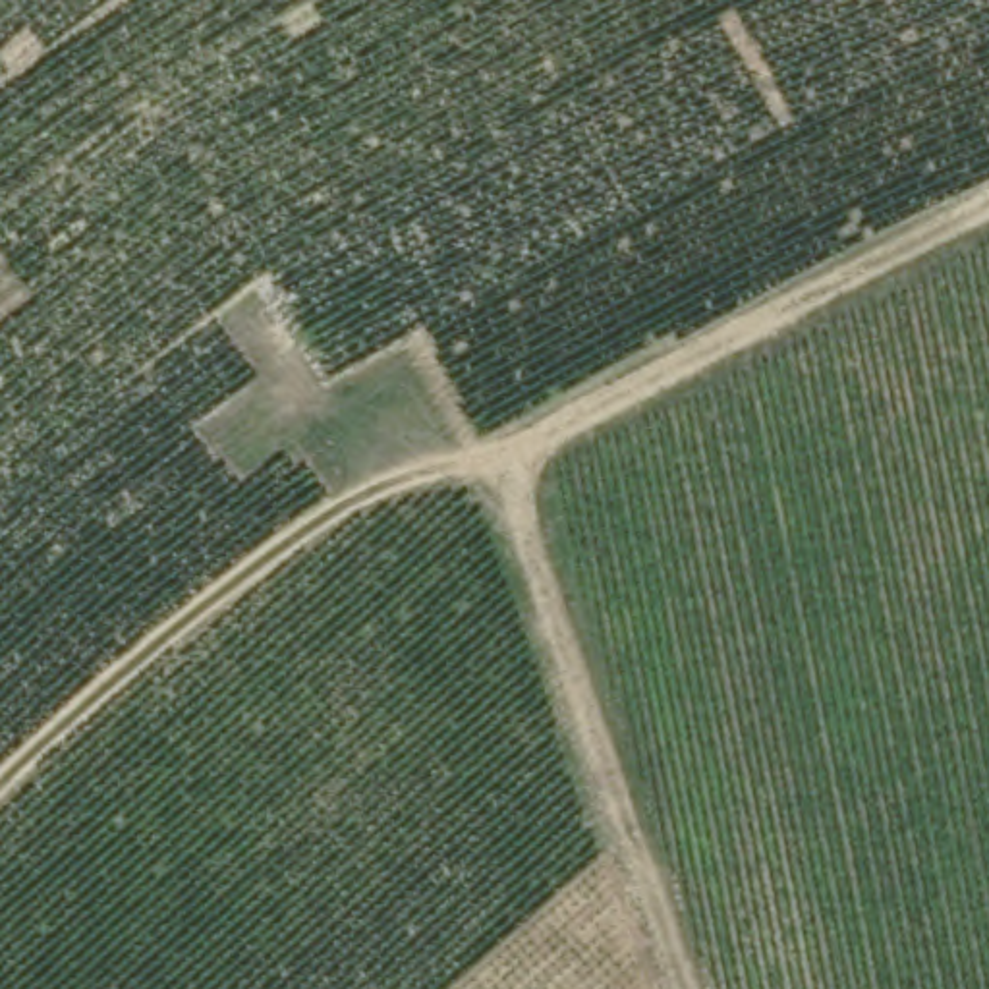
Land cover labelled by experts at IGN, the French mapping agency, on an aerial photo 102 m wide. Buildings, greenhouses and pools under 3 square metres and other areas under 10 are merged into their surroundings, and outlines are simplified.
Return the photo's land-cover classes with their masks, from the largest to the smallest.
<instances>
[{"label":"vineyard","instance_id":"1","mask_svg":"<svg viewBox=\"0 0 989 989\"><path fill-rule=\"evenodd\" d=\"M981 182H989V0H0V761L81 684H89V676L104 661L131 649L143 637V630H151L178 603H185L189 591L220 576L236 556L267 541L282 522L297 518L325 495L344 491L367 471H382L421 452L464 448L479 433L487 437L525 413H537L545 402L641 352L649 340L692 336L827 259H846L862 247H877L889 236L885 228L923 212L927 205L970 193ZM541 541L552 560L564 614L579 641L603 722L618 749L595 773L583 769L572 734L556 722L541 668V649L533 645V603L522 568L510 552V537L495 529V522L479 502H471L464 483H437L379 502L363 514H352L313 549L297 552L290 564L270 572L259 587L240 595L182 649H170L158 664H151L66 746L50 749L46 761L19 784V792L0 804V989H989V224L865 282L862 290L834 297L831 305L800 317L777 336L757 340L719 359L715 367L661 390L637 410H626L614 421L595 425L591 433L568 440L541 467L533 491Z\"/></svg>","mask_w":989,"mask_h":989},{"label":"pervious surface","instance_id":"2","mask_svg":"<svg viewBox=\"0 0 989 989\"><path fill-rule=\"evenodd\" d=\"M989 224V182H981L970 193L927 205L923 212L885 228L889 236L877 247H862L846 259H827L692 336L649 340L641 352L545 402L537 413H525L487 437L479 433L464 448L421 452L382 471H367L344 491L325 495L297 518L282 522L267 541L236 556L220 576L189 591L185 603H178L151 630H143V637L131 649L104 661L89 676V684H81L0 761V804L19 792V784L46 761L50 749L66 746L151 664H158L170 649H182L240 595L259 587L270 572L290 564L297 552L313 549L352 514H363L379 502L437 483H464L471 502H479L495 522V529L510 537V552L522 568L533 603V645L541 649V668L556 722L572 734L583 769L595 773L618 749L603 722L579 641L564 614L552 560L541 541L533 491L541 467L568 440L591 433L595 425L614 421L626 410H637L661 390L715 367L719 359L757 340L777 336L800 317L831 305L834 297L862 290L865 282Z\"/></svg>","mask_w":989,"mask_h":989}]
</instances>
